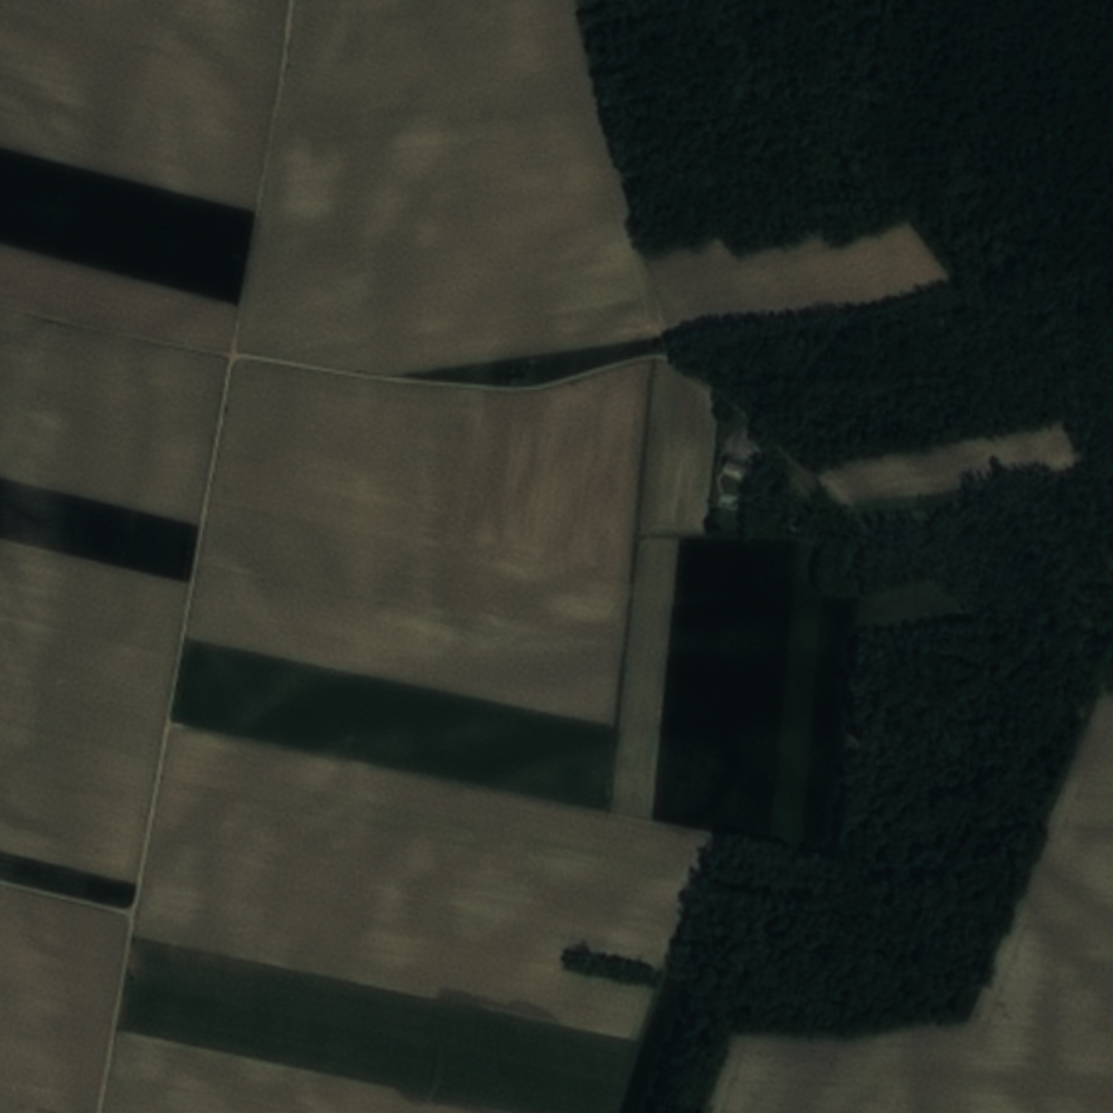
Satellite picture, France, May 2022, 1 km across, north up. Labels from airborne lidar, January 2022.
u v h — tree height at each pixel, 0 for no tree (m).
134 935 0
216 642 0
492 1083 0
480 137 0
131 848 0
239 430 0
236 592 0
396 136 0
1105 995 0
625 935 0
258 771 0
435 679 0
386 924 0
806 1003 21
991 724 19
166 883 0
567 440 0
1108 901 0
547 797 0
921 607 0
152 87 0
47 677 0
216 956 0
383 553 0
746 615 0
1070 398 18
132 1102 0
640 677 0
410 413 0
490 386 0
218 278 0
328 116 0
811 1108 0
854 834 23
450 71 0
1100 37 19
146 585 0
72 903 0
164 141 0
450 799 0
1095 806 0
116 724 0
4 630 0
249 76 0
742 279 0
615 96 19
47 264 0
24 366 0
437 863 0
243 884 0
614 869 0
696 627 0
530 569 0
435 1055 0
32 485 0
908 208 13
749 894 24
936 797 25
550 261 0
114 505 0
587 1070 0
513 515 0
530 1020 0
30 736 0
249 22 0
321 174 0
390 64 0
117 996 0
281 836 0
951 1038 0
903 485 0
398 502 0
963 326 18
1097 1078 0
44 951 0
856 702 20
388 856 0
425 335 0
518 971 0
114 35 0
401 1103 0
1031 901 0
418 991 0
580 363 0
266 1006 0
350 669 0
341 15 0
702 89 24
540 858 0
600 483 0
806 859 16
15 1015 0
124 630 0
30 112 0
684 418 0
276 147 0
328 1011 0
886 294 0
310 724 0
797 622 0
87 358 0
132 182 0
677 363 16
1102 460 20
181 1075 0
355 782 0
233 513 0
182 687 0
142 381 0
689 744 0
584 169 0
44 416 0
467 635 0
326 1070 0
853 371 18
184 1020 0
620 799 0
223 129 0
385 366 0
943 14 17
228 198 0
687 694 0
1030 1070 0
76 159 0
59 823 0
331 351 0
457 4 0
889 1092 0
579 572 0
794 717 0
